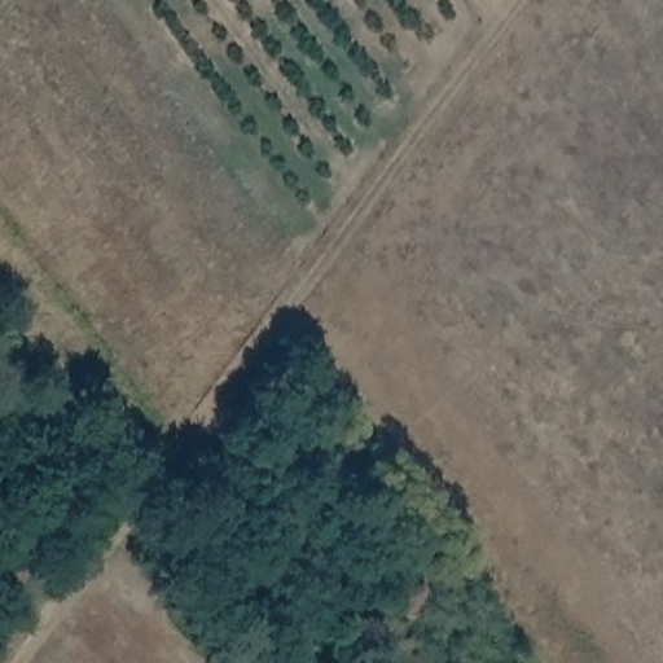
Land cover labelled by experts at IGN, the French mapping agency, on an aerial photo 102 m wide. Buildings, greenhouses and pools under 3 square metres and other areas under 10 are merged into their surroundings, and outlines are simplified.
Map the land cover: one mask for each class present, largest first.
<instances>
[{"label":"agricultural land","instance_id":"1","mask_svg":"<svg viewBox=\"0 0 663 663\"><path fill-rule=\"evenodd\" d=\"M523 18L534 26L528 28V34L508 36L505 57L487 65L484 70L469 73L466 91L461 96L456 91L443 93L438 109L433 111H425L422 106H427L435 98L440 88H445L453 73V67L443 65L438 80L425 91V96H412V114L417 119L404 129L399 142L386 140L383 150L363 171L347 199L339 207L329 205L326 210H311L308 215L313 218V228L287 241L272 215L256 212L251 192L220 158V150L212 145L202 122L189 111V106H176V98L163 96L161 73L145 62V52L140 49L137 39L122 21V16L109 8V0H0V264H10L26 280V295L36 306L26 337H44L52 342L54 350L60 344H67L73 352L91 350L104 363H109V378L114 381L117 391L127 396L129 404V409H124L129 438H135L140 448L161 453L166 469L176 479H189L197 469L199 456L220 453L228 445L230 435L241 427L243 412L256 399V394H264L269 381L282 378V370L287 368V352L282 350L280 339H326V347L332 350L337 368L344 370L334 386L355 401H363L365 417L378 425L373 430L381 435V443L394 440L401 453H407L417 466H422L430 477L433 489L448 495V502L458 510L464 523L474 521V534L482 544L479 557L484 559L487 572L492 575V588L505 611L515 619V624L523 627V632L534 642L536 663H663V0H528V5L523 8ZM479 8L482 18H508L518 0H471ZM132 534V526L122 523L109 541V549L104 552L101 575L85 580L80 590L67 593L60 601H47L39 609L36 629L28 635H13V640L8 642L5 663H205L202 655L194 653L192 642L171 624L168 611L161 606L158 596L150 593V580L142 575V570L132 562L127 552V536Z\"/></svg>","mask_w":663,"mask_h":663},{"label":"deciduous trees","instance_id":"2","mask_svg":"<svg viewBox=\"0 0 663 663\"><path fill-rule=\"evenodd\" d=\"M155 16L168 23L171 34L192 57L197 73L212 85V91L230 114L241 109L236 91L212 67V60L189 36L176 10L166 0H150ZM238 10V18L251 26L254 39L264 44V52L269 57L280 52L282 44L277 36L269 34L267 21L254 13L249 0H230ZM277 16L290 26L298 49L316 60L329 80L337 78L339 70L324 54L316 36L308 34L306 23L298 18L290 0H272ZM316 10L321 23L334 34V41L350 52L360 73L376 83V91L383 98L391 96V83L381 78L378 62L365 52V47L355 41L347 21L329 0H306ZM391 10L399 16V23L412 28L420 39H433L435 31L433 23H427L422 13L412 8L407 0H386ZM280 73L295 85L300 98H306L308 111L332 135L337 150L350 153V140L337 132V117L326 114L324 98L311 93L303 67L287 57L280 65ZM26 280L10 264H0V663H5L8 642L13 640V635H28L36 629L39 609L47 601H60L67 593L80 590L85 580L101 575L104 552L109 549V541L122 523L132 526V534L127 536V552L132 562L142 570V575L150 580V593L158 596L161 606L168 611L171 624L192 642L194 653L202 655L205 663H536L534 642L523 632V627L515 624V619L505 611L492 588V575L487 572L484 559L479 557L482 544L474 534V521L464 523L458 510L448 502V495L433 489L430 477L422 466H417L407 453H401L394 440L381 443V435L373 430L378 425L365 417L363 401H355L334 386L344 370L337 368L332 350L326 347V339H280L282 350L287 352V368L282 370V378L269 381L264 394H256V399L243 412L241 427L230 435L228 445L220 453L199 456L197 469L189 479H176L166 469L161 453L140 448L135 438H129L124 409H129V404L127 396L117 391L114 381L109 378V363H104L91 350L73 352L67 344H60L54 350L52 342L44 337H26L36 306L26 295Z\"/></svg>","mask_w":663,"mask_h":663},{"label":"herbaceous vegetation","instance_id":"3","mask_svg":"<svg viewBox=\"0 0 663 663\"><path fill-rule=\"evenodd\" d=\"M176 10L189 36L212 60V67L236 91L241 109L230 114L212 91V85L197 73L192 57L171 34L168 23L155 16L150 0H109V8L122 16V21L137 39L140 49L145 52V62L161 73L163 96L176 98V106H189V111L202 122L212 145L220 150V158L251 192L256 212L272 215L287 241L313 228V218L308 215L311 210H326L329 205L339 207L347 199L363 171L383 150L386 140L399 142L404 129L417 119L412 114V96H425V91L438 80L443 65L453 67V73L445 88H440L435 98L427 106H422L425 111H433L438 109L443 93L456 91L461 96L466 91L469 73L484 70L487 65L505 57L508 36L528 34V28L534 26L523 18V8L528 5V0H518L508 18H482L479 8L471 0H407L412 8L422 13L427 23H433L435 31L433 39H420L412 28L399 23V16L391 10L386 0H329L347 21L355 41L365 47V52L378 62L381 78L391 83V96L383 98L376 91V83L360 73L350 52L334 41V34L321 23L316 10L306 0H290L298 18L306 23L308 34L316 36L324 54L339 70L337 78L329 80L316 60L298 49L290 26L277 16L272 0H249L254 13L267 21L269 34L277 36L282 44L280 52L269 57L264 52V44L254 39L251 26L238 18V10L230 0H166ZM287 57L303 67L311 93L324 98L326 114L337 117V132L350 140V153L337 150L332 135L308 111L306 98H300L295 85L280 73V65Z\"/></svg>","mask_w":663,"mask_h":663}]
</instances>
